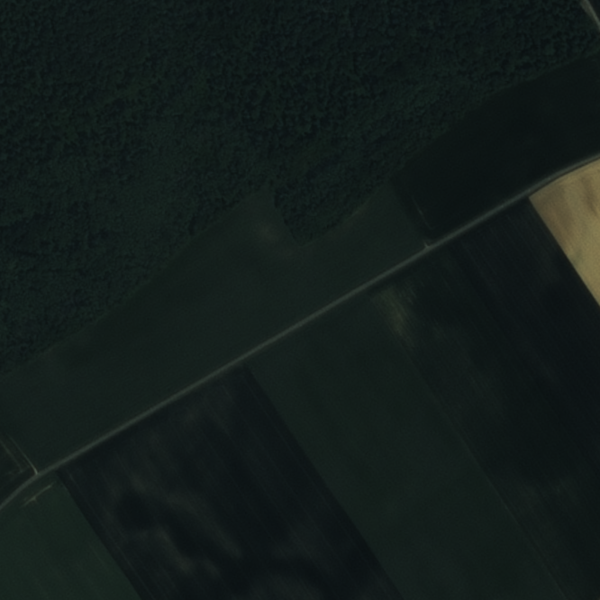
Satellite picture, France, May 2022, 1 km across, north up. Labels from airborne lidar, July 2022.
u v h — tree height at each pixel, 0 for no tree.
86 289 26
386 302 0
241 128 18
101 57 24
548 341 0
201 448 0
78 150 22
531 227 0
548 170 0
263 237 0
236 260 0
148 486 0
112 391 0
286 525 0
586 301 0
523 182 0
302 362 0
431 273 0
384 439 0
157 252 27
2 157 25
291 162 22
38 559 0
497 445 0
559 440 0
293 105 23
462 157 0
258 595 0
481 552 0
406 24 30
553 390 0
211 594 0
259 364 0
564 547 0
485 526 0
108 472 0
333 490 0
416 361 0
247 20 22
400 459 0
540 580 0
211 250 0
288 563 0
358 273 0
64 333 15
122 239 29
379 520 0
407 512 0
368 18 26
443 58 19
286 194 23
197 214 19
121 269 28
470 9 23
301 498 0
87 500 0
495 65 20
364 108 25
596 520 0
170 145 29
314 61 22
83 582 0
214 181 26
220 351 0
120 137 26
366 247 0
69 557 0
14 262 27
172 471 0
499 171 0
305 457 0
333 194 28
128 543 0
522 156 0
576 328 0
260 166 20
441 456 0
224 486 0
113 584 0
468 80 25
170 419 0
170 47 20
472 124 0
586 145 0
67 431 0
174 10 26
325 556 0
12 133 21
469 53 28
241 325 0
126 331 0
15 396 0
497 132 0
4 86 22
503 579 0
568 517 0
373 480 0
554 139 0
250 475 0
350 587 0
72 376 0
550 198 0
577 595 0
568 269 0
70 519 0
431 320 0
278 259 0
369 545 0
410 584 0
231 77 19
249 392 0
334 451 0
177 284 0
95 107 27
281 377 0
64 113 22
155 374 0
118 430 0
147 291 0
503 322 0
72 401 0
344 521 0
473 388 0
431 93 29
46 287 32
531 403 0
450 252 0
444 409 0
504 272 0
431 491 0
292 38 29
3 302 29
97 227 27
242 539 0
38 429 0
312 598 0
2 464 0
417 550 0
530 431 0
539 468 0
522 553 0
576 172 0
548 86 0
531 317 0
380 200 0
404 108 30
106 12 29
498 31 24
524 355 0
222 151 21
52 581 0
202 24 10
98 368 0
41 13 22
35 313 28
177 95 27
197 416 0
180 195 30
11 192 27
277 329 0
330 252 0
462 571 0
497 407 0
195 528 0
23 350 26
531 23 24
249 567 0
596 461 0
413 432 0
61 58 29
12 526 0
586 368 0
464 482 0
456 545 0
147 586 0
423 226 0
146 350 0
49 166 29
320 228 18
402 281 0
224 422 0
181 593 0
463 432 0
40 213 28
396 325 0
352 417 0
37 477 0
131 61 25
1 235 25
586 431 0
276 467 0
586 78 0
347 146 24
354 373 0
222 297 0
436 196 0
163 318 0
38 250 19
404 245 0
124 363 0
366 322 0
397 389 0
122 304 13
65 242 25
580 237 0
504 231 0
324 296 0
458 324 0
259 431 0
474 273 0
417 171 0
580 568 0
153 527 0
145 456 0
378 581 0
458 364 0
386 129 26
